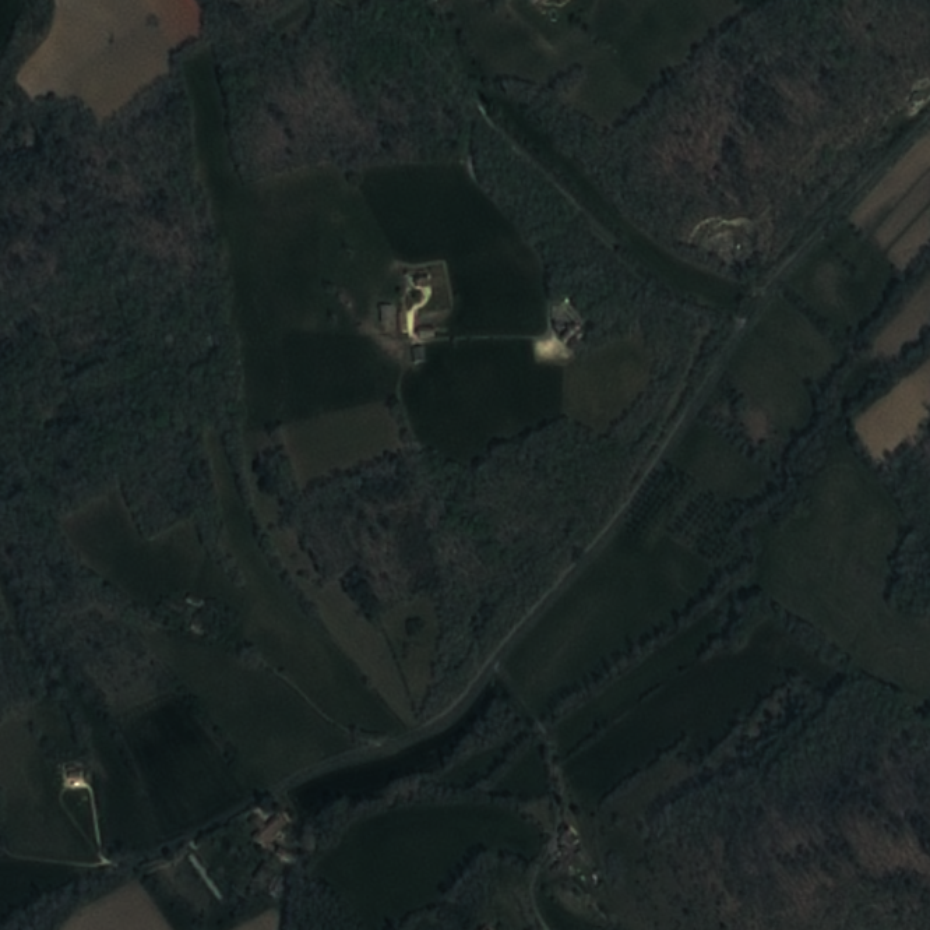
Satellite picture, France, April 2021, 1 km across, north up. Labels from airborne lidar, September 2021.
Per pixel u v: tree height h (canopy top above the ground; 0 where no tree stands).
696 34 0
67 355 7
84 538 0
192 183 26
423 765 0
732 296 0
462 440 0
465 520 20
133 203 14
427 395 0
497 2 13
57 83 0
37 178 21
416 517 7
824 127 16
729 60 20
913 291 14
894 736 20
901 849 16
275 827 0
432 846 0
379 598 14
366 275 0
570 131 19
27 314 23
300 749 0
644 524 19
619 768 0
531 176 20
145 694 0
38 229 13
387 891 0
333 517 20
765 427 0
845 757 15
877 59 16
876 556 0
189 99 17
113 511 0
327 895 27
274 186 0
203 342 23
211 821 0
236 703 0
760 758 11
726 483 0
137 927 0
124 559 0
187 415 23
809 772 20
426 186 0
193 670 0
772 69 20
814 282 0
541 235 20
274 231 0
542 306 0
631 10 0
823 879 18
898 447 0
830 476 0
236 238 0
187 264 21
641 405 13
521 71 0
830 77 24
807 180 11
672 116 18
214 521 21
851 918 13
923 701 0
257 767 0
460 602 16
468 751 13
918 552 14
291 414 0
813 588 0
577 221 13
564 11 0
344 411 0
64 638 7
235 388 20
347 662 0
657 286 9
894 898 20
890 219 0
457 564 15
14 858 0
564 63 0
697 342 13
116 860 16
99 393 10
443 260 0
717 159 12
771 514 9
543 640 0
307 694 0
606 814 0
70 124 13
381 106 14
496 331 0
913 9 16
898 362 8
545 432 15
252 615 0
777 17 21
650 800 0
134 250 18
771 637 0
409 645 0
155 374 21
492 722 19
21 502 22
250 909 14
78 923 0
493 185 21
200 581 0
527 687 0
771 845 16
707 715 0
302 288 0
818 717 14
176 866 0
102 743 0
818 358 0
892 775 15
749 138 23
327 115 11
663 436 12
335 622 0
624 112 0
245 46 15
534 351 0
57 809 0
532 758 0
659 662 0
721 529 20
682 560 0
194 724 0
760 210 11
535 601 21
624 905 0
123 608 17
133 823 0
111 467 18
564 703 20
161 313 20
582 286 21
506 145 20
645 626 0
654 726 0
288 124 17
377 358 0
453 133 20
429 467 17
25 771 0
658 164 16
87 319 10
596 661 0
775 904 15
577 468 18
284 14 17
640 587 0
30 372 15
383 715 0
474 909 20
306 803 0
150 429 25
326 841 28
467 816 0
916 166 0
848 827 17
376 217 0
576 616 0
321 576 10
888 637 0
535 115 15
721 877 9
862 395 8
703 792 19
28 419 16
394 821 0
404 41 20
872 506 0
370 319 0
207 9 16
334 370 0
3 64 16
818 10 20
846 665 16
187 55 15
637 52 0
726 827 14
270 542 15
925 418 0
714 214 13
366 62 21
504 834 0
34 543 23
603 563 0
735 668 0
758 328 0
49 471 23
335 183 0
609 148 18
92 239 22
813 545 0
